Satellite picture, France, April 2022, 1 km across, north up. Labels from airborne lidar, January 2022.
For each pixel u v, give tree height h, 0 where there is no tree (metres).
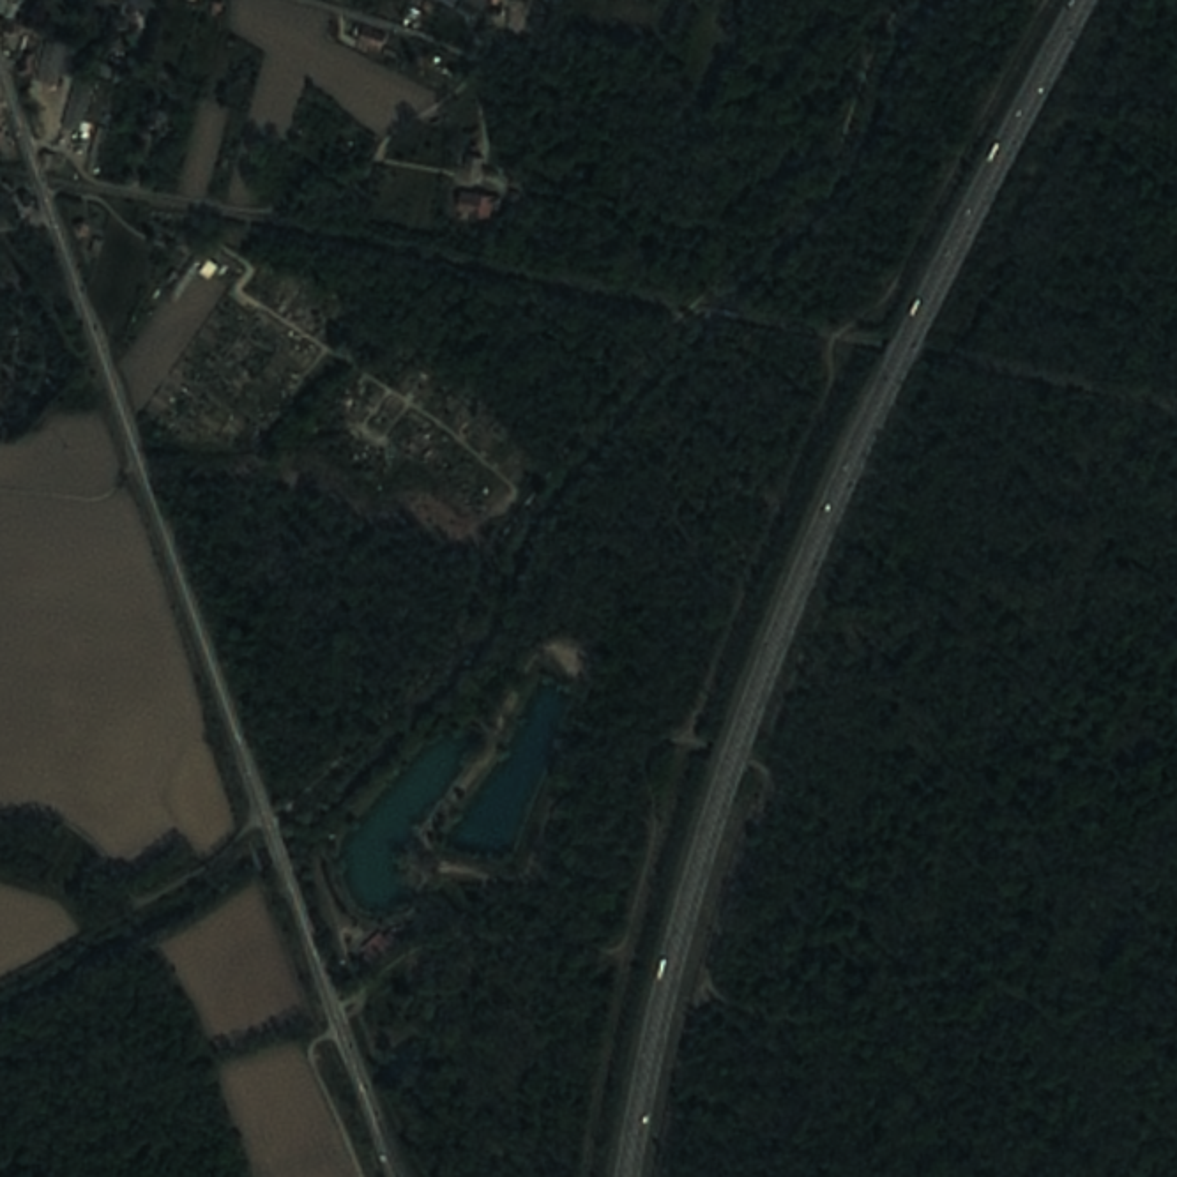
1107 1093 23
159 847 0
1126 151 17
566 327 25
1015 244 23
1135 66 24
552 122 27
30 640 0
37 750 0
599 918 30
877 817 22
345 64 0
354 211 19
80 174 0
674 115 24
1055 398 23
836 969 29
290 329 0
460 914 28
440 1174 15
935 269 0
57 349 14
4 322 17
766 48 30
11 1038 24
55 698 0
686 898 0
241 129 0
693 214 29
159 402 0
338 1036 0
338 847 14
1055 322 31
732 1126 24
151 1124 21
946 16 28
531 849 0
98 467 0
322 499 27
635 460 29
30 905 0
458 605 28
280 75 0
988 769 10
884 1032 25
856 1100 23
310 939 0
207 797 0
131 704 0
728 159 27
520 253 21
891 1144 25
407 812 0
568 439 24
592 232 29
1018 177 9
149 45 15
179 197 0
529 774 0
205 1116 22
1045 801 26
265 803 0
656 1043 0
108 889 22
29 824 22
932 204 9
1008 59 14
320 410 9
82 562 0
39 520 0
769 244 21
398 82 0
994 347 24
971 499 27
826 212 24
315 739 9
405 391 0
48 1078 26
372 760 12
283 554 29
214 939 0
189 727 0
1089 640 19
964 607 31
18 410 13
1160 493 25
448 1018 23
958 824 14
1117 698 21
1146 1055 26
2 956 0
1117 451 27
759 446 27
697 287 25
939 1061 22
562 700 0
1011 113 0
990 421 22
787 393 25
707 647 27
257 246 12
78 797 0
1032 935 24
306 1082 0
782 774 20
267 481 25
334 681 28
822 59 26
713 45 0
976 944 21
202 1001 0
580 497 22
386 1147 0
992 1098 19
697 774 7
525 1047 28
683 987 0
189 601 0
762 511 20
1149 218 30
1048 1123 15
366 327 25
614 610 7
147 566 0
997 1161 23
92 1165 17
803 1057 21
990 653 26
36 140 0
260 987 0
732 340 11
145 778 0
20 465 0
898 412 13
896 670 31
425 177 0
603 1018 19
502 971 30
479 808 0
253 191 15
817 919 24
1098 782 23
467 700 18
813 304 13
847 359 0
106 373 0
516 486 0
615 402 29
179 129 11
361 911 0
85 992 24
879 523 24
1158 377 27
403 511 0
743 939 24
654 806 12
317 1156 0
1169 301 10
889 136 24
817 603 12
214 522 31
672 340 22
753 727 0
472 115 0
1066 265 10
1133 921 22
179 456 18
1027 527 31
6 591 0
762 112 31
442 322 30
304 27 0
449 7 10
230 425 0
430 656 26
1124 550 12
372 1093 0
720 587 28
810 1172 21
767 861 27
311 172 15
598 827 28
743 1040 24
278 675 27
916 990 25
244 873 19
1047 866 21
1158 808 21
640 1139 0
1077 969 22
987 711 21
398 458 0
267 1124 0
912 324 0
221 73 0
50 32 16
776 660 0
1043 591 35
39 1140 24
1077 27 0
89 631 0
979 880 10
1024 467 8
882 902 25
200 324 0
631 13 0
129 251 0
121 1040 27
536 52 21
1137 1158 29
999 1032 24
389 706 26
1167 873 26
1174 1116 23
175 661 0
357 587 33
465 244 9
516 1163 24
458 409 0
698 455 21
